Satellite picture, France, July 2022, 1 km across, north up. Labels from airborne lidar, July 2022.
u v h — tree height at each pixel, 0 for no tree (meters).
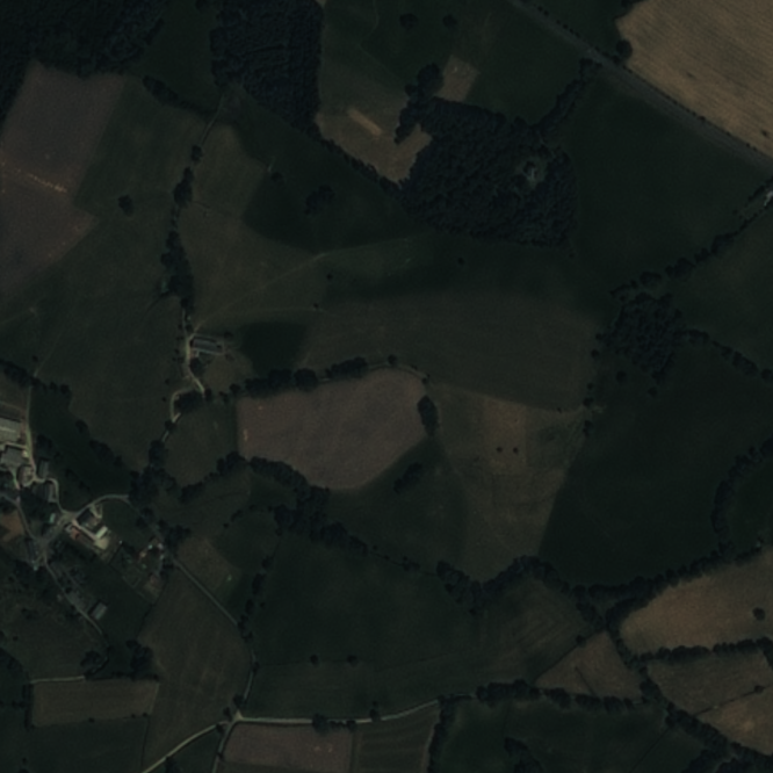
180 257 18
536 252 0
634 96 0
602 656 0
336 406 0
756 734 0
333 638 0
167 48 0
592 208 0
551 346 0
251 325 0
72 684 0
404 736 0
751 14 0
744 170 0
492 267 0
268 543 0
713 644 0
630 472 0
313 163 0
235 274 0
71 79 0
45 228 0
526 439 0
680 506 0
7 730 0
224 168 0
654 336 18
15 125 0
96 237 0
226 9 10
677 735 0
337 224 0
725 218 0
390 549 0
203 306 0
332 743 0
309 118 16
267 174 0
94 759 0
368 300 0
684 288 0
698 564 12
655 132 0
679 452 0
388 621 0
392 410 0
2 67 15
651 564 0
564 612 0
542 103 0
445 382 0
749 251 0
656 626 0
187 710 0
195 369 18
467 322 0
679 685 0
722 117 0
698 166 0
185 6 0
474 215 20
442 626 0
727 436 0
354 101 0
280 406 0
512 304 0
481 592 26
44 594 8
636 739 0
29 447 0
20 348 0
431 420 21
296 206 0
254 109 0
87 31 12
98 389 0
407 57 0
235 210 0
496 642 0
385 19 0
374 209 0
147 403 0
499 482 0
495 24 0
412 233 0
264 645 0
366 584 0
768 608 0
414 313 0
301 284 0
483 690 14
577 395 0
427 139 0
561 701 20
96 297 0
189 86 0
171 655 0
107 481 0
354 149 0
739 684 0
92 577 0
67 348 0
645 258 0
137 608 0
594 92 0
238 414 0
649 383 0
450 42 0
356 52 0
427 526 0
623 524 0
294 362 0
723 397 0
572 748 0
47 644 0
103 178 0
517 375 0
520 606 0
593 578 0
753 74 0
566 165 26
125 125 0
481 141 25
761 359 0
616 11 0
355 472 0
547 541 0
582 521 0
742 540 0
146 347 0
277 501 0
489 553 0
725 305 0
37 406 0
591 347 0
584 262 0
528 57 0
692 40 0
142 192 0
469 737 0
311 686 0
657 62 0
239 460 20
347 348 0
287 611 0
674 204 0
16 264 0
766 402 0
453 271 0
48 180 0
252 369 0
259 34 11
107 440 0
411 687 0
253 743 0
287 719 0
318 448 0
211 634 0
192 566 0
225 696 0
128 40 10
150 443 0
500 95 0
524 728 0
